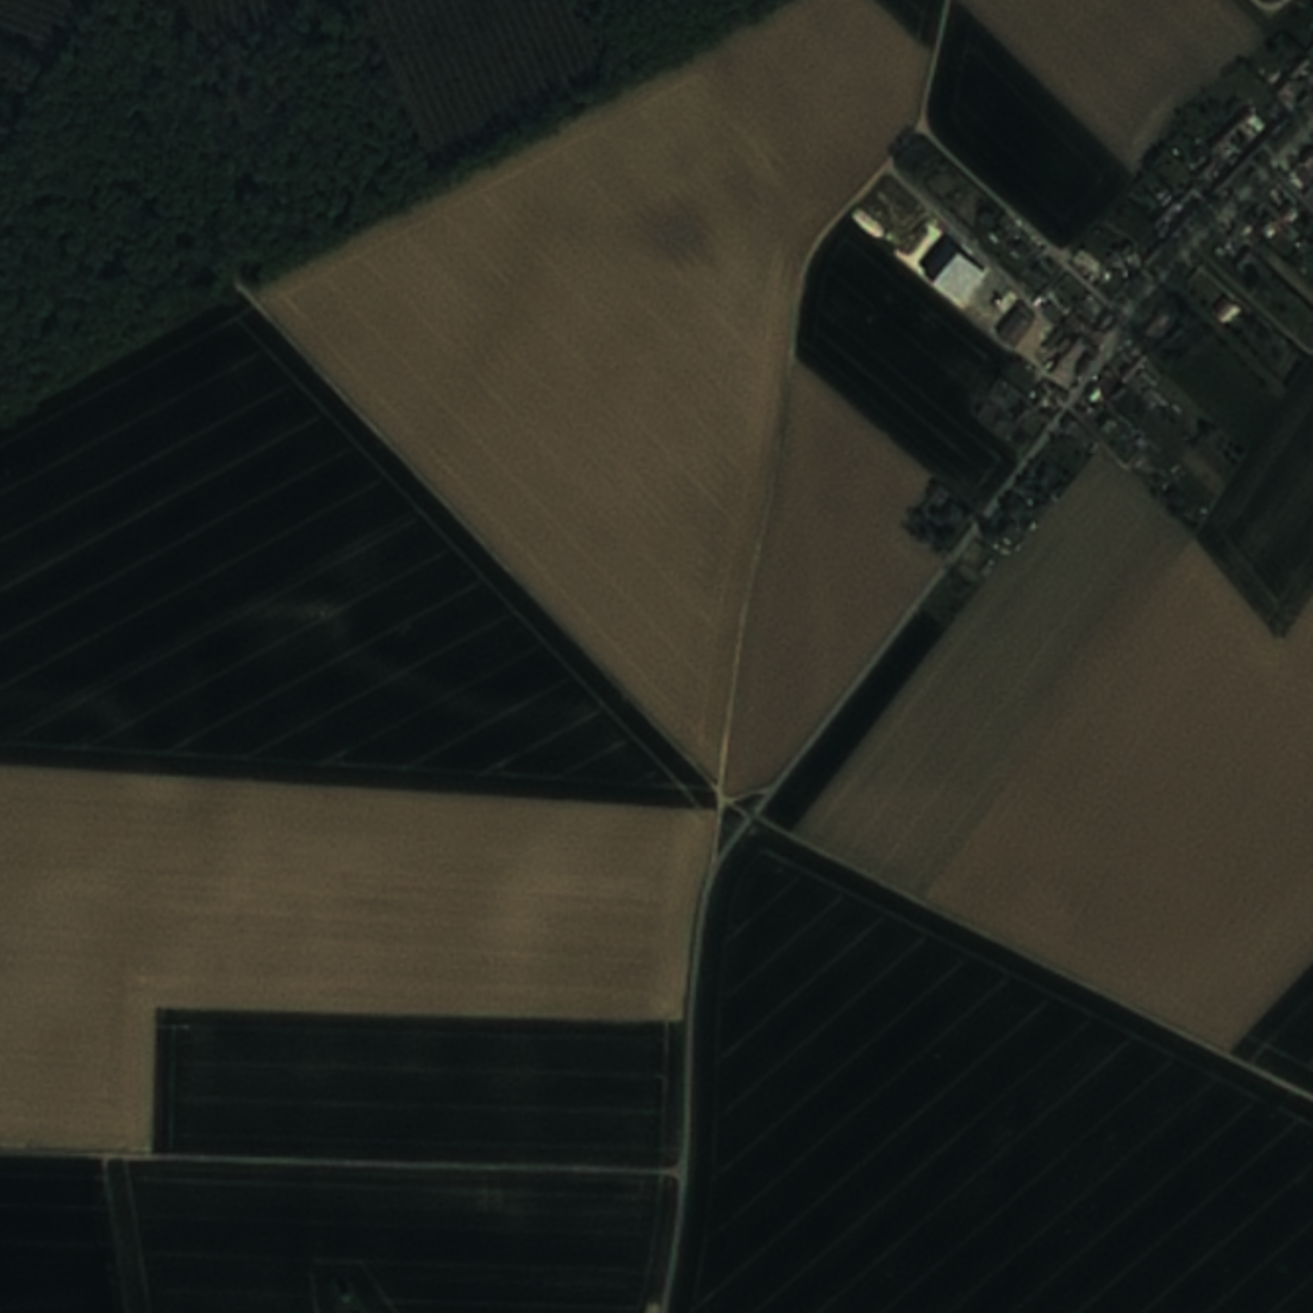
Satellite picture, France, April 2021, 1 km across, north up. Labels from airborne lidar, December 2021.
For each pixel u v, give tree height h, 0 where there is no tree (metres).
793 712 0
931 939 0
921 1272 0
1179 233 21
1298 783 0
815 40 0
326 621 0
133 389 0
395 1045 0
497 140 18
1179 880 0
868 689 0
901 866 0
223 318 0
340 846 0
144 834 0
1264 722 0
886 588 0
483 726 0
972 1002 0
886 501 0
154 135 23
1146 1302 0
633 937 0
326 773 0
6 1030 0
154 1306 0
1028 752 0
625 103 0
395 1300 0
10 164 20
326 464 0
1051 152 0
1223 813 0
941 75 0
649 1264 0
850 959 0
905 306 0
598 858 0
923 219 0
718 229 0
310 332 0
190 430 0
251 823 0
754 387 0
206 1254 0
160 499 0
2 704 0
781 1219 0
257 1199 0
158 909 0
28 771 0
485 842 0
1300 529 0
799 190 0
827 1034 0
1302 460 0
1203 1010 0
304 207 20
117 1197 0
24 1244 0
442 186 14
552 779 0
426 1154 0
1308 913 0
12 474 0
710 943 0
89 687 0
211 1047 0
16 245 23
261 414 0
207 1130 0
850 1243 0
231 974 0
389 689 0
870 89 0
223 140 20
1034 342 0
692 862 0
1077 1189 0
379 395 0
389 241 0
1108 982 0
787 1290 0
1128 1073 0
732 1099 0
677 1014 0
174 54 23
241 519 0
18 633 0
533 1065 0
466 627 0
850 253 0
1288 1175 0
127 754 0
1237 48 0
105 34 25
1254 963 0
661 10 22
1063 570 0
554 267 0
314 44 23
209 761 0
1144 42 0
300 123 21
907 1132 0
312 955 0
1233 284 0
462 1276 0
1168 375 0
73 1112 0
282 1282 0
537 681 0
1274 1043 0
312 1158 0
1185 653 0
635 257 0
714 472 0
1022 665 0
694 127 0
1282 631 0
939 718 0
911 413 0
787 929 0
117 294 24
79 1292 0
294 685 0
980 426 0
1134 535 0
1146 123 0
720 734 0
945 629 0
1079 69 0
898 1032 0
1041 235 0
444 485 0
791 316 0
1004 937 0
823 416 0
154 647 0
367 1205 0
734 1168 0
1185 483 0
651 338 0
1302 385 0
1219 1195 0
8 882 0
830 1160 0
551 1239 0
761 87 0
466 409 0
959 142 0
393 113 21
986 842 0
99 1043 0
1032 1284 0
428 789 0
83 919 0
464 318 0
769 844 0
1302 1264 0
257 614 0
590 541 0
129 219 22
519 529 0
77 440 0
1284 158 0
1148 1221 0
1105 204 0
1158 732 0
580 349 0
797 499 0
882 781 0
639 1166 0
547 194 0
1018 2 0
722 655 0
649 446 0
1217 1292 0
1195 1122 0
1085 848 0
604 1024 0
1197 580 0
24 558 0
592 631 0
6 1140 0
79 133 23
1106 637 0
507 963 0
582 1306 0
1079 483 0
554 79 0
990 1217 0
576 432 0
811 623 0
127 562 0
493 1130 0
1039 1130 0
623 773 0
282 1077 0
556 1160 0
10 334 23
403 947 0
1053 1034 0
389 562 0
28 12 0
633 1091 0
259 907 0
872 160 0
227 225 24
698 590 0
